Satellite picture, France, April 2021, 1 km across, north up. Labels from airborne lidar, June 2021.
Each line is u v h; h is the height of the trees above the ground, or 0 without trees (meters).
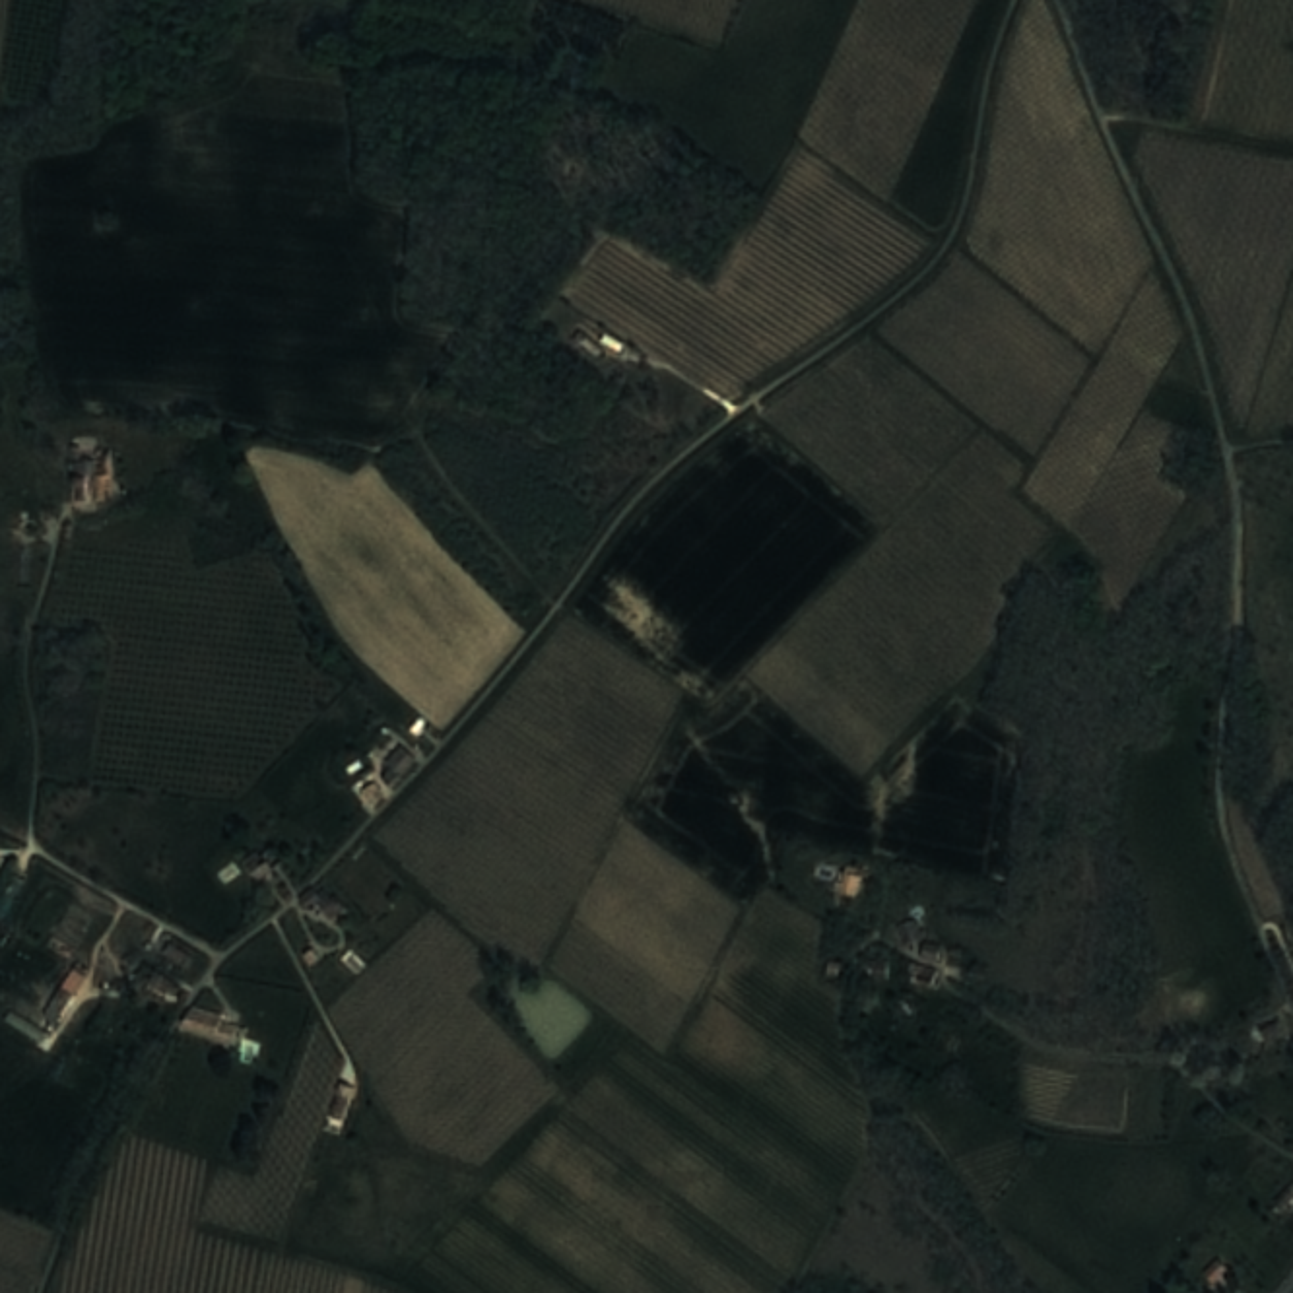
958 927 12
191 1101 0
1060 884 8
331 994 0
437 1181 0
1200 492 15
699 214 19
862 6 0
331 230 0
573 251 16
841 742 0
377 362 0
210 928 0
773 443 0
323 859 9
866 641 0
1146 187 0
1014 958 0
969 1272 14
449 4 23
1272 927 0
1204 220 0
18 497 0
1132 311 0
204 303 0
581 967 0
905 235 0
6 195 22
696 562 0
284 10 8
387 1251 0
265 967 0
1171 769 0
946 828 0
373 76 16
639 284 0
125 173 0
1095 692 20
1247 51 0
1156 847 0
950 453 0
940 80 0
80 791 7
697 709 0
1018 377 0
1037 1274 0
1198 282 0
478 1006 0
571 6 12
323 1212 0
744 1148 0
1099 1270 0
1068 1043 18
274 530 8
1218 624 17
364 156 16
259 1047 0
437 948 0
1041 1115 0
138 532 0
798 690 0
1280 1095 0
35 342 16
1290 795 14
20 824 0
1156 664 22
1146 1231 0
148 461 0
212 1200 0
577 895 0
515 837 0
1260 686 14
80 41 22
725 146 0
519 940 0
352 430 0
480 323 16
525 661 0
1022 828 16
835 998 0
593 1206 0
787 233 0
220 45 22
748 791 0
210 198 0
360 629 0
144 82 23
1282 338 0
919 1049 6
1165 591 16
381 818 0
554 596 0
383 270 0
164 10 15
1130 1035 18
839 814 0
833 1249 0
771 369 0
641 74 0
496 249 15
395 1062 0
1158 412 0
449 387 15
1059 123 0
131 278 0
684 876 0
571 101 20
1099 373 0
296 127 0
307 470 0
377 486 0
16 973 0
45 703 8
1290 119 0
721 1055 0
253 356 0
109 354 0
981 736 0
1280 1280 0
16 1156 0
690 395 0
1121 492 0
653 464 8
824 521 0
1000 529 0
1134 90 13
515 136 22
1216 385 0
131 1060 12
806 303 0
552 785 0
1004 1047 7
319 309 0
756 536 0
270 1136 0
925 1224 11
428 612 0
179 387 0
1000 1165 0
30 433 8
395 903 7
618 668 0
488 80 23
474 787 0
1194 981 0
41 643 12
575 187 14
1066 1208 0
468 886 0
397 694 0
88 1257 0
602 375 12
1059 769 11
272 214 0
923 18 0
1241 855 0
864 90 0
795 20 0
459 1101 0
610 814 0
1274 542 8
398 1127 0
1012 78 0
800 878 0
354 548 0
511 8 22
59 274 0
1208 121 0
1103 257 0
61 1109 0
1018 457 0
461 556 6
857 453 0
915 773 0
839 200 0
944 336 0
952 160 0
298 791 0
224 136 0
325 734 0
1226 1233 8
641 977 0
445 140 22
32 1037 0
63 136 18
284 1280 0
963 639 0
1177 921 0
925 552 0
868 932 7
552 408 11
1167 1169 0
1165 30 19
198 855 0
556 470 10
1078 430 0
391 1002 0
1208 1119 11
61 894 0
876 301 0
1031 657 17
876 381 0
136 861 0
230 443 17
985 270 0
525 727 0
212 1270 0
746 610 0
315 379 0
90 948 0
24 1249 0
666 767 0
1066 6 16
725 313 0
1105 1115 0
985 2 0
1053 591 19
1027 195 0
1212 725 7
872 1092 16
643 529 0
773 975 0
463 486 5
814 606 0
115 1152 16
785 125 0
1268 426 0
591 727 0
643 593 0
